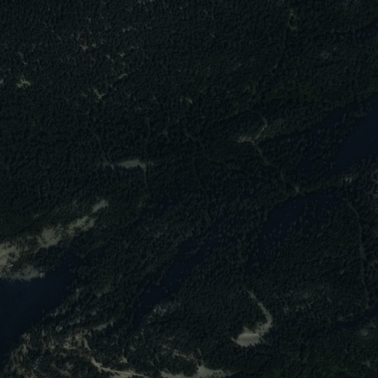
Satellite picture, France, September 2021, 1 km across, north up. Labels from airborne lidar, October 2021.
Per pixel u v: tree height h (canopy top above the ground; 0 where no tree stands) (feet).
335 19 60
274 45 64
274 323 42
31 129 22
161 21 62
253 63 53
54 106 18
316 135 149
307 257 42
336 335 84
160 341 58
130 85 73
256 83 25
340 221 57
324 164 46
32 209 61
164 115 40
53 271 19
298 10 40
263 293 77
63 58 48
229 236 76
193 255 50
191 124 108
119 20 63
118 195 43
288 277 57
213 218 94
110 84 57
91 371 53
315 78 78
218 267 48
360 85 79
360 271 46
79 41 29
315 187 45
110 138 98
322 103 70
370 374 81
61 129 80
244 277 56
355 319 40
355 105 30
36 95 58
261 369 38
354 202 76
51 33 50
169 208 66
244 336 0
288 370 45
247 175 75
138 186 40
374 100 59
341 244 44
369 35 102
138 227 68
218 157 62
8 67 37
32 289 0
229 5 88
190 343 75
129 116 79
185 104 77
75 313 39
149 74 77
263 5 90
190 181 52
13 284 0
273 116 67
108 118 37
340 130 72
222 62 33
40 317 59
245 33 33
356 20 100
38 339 44
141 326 35
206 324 34
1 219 33
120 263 39
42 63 70
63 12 82
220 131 37
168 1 75
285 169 48
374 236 74
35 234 29
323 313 66
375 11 95
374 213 82
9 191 39
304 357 60
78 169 68
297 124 105
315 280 35
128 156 77
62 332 26
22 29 47
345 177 53
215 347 56
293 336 62
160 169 44
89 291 28
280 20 50
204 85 47
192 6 38
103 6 25
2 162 65
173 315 73
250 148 65
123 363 29
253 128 57
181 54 24
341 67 77
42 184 77
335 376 64
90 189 40
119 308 43
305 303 101
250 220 92
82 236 28
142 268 20
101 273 28
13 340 31
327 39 100
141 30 46
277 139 19
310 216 35
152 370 58
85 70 69
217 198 57
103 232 35
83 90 62
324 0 89
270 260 36
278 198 44
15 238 19
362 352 88
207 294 47
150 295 44
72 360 39
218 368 43
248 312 88
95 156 96
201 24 92
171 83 45
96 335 26
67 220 22
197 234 56
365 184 70
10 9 42
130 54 59
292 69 80
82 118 79
